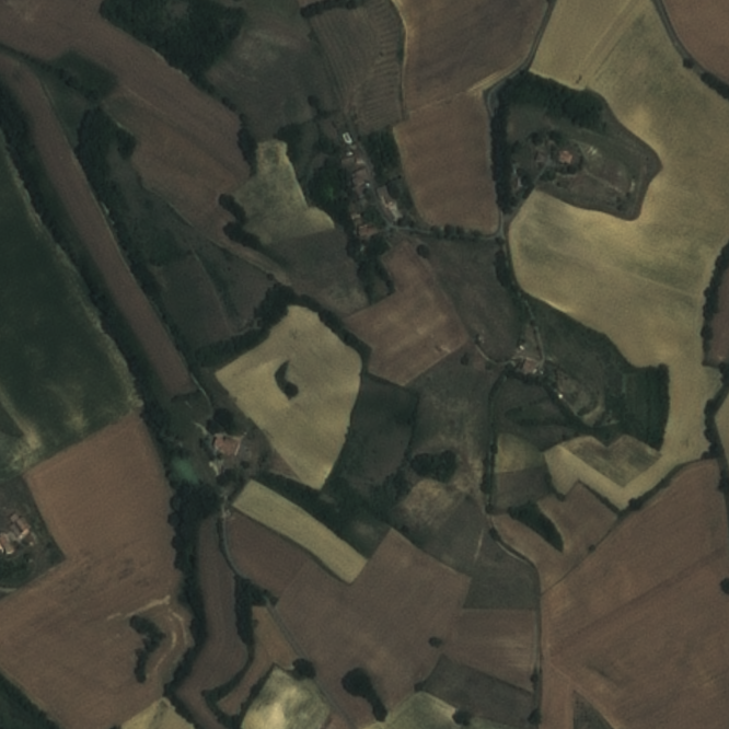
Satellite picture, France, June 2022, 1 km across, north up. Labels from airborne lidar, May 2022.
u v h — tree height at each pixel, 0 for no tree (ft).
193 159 0
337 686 0
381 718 37
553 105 24
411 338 0
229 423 58
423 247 35
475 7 0
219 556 0
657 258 0
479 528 0
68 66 0
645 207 0
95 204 0
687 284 0
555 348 0
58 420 0
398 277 0
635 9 0
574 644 0
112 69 0
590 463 0
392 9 0
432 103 0
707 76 54
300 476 0
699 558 0
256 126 0
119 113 0
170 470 25
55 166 0
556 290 0
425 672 0
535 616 0
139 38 19
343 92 0
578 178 0
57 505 0
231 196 29
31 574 0
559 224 0
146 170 0
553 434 0
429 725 0
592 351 0
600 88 0
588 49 0
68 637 0
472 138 0
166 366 0
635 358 0
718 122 0
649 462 0
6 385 0
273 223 0
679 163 0
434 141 0
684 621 0
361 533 0
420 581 0
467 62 0
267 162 0
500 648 0
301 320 0
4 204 0
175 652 0
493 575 0
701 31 0
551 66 0
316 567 0
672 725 0
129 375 0
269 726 0
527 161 0
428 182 0
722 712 0
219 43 31
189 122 0
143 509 0
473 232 42
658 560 0
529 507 18
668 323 0
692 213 0
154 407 51
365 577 0
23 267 0
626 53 0
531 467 0
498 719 0
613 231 0
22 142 78
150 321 0
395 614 0
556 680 0
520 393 0
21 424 0
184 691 0
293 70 0
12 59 0
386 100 0
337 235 0
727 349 0
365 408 0
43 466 0
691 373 0
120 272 0
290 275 0
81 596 0
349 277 0
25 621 0
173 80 0
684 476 0
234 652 0
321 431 0
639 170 0
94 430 0
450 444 0
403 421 0
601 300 0
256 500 0
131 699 0
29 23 0
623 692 0
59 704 0
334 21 0
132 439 0
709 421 31
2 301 0
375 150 28
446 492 0
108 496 0
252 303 0
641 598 0
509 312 0
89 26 0
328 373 0
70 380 0
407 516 0
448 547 0
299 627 0
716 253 0
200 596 46
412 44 0
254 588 45
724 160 0
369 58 0
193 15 26
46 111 0
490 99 0
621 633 0
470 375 0
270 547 0
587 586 0
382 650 0
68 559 0
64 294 0
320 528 0
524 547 0
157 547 0
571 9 0
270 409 0
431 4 0
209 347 18
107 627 0
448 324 0
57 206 0
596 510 0
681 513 0
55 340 0
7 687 34
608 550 0
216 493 83
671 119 0
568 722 0
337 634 0
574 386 0
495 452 26
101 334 0
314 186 30
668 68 0
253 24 0
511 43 0
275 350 0
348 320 0
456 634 0
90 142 55
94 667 0
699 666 0
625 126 0
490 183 0
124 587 0
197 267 0
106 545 0
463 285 0
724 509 0
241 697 0
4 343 0
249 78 0
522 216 0
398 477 29
